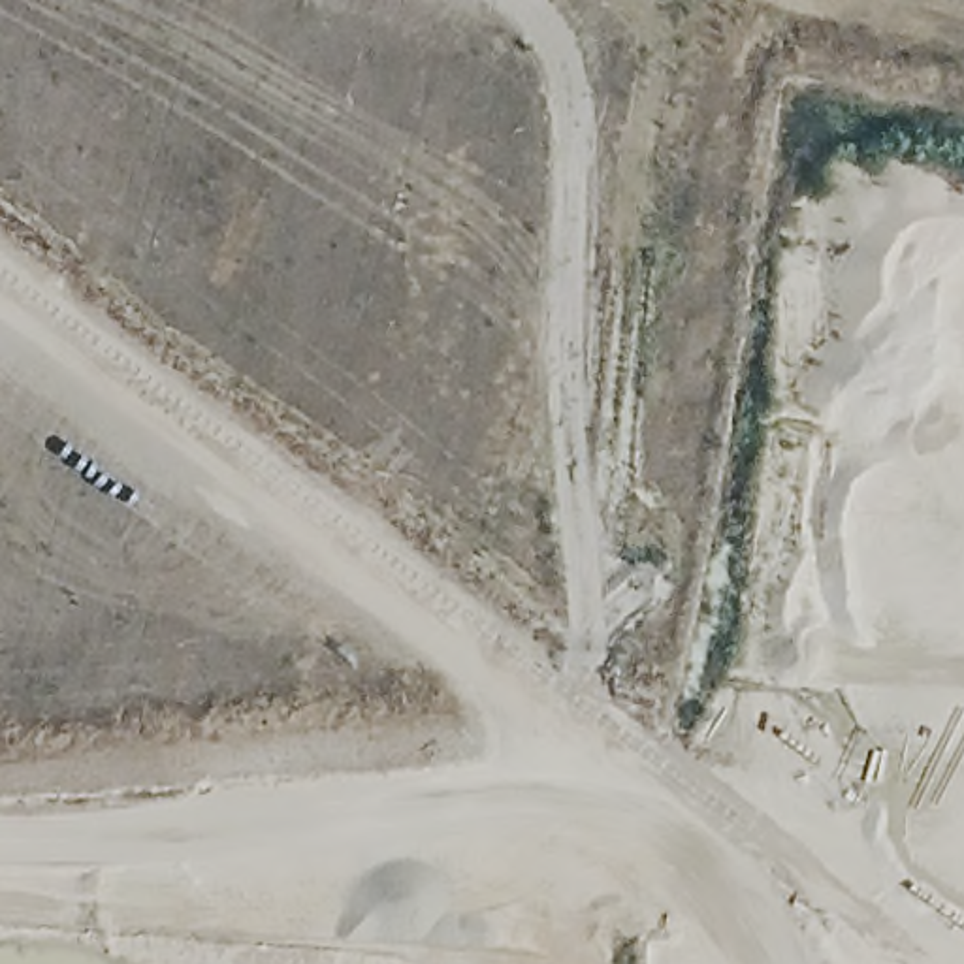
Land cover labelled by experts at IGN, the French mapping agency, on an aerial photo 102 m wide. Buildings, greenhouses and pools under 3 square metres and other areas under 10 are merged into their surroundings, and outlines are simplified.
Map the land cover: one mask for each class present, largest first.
<instances>
[{"label":"pervious surface","instance_id":"1","mask_svg":"<svg viewBox=\"0 0 964 964\"><path fill-rule=\"evenodd\" d=\"M493 11H501L505 23H512L520 38L535 49L550 109V279L542 324L535 331L538 362L546 369L554 429L557 490L550 523L557 535L561 576L569 591V614L554 618L550 625L565 640L561 655H546V648L523 636L505 614L490 610L482 599L463 591L448 569H437L410 542H403L380 520L377 508L346 501L335 486H328L324 474L305 471L297 456L252 433L230 407L211 403L185 377L151 358L147 346L121 335L105 313H94L87 301L72 294L64 275H53L38 264L34 245H15L0 230V373L4 380L26 384L34 395H45L56 407V414L79 426V437H94L109 459L128 467V505L151 527H177V546L188 557H196L215 580L226 584V599H245V618L256 636H362L373 644V655H380L388 667L437 670L463 704V727H448V719H422L418 727H365L354 708L346 727L335 734L267 738L252 742L249 749L188 738L169 749L151 746L143 761H132L124 746H105L98 753H75L68 761L0 764V941H72L87 949H109L113 956L132 964H964V192L949 188L945 173L938 169L885 162L881 173H866L855 162L836 158L828 166V196H802L798 218L783 226L787 252L779 260L776 335L768 358L772 407L764 414V448L757 463V520L749 535V584L742 591V644L734 648L727 682L704 708V719L689 738L678 742V704L697 693L708 644L719 629L731 557L727 546L715 554L712 565H697L674 678L659 685H633L625 667H614L618 689L610 697L599 682V663L606 659L610 633L633 629L636 621H663L670 584L659 576L655 565H625L599 523V501L618 512L625 497L636 395L633 373L625 377L618 448L599 452V463H587L599 290L587 286L595 249H587V169L595 166L599 132L595 98L584 75L576 34L546 0H482Z\"/></svg>","mask_w":964,"mask_h":964},{"label":"herbaceous vegetation","instance_id":"2","mask_svg":"<svg viewBox=\"0 0 964 964\"><path fill-rule=\"evenodd\" d=\"M0 230L15 245H34L38 264L53 275H64L72 294L87 301L94 313H105L121 335L147 346L151 358L185 377L211 403L230 407L252 433L297 456L305 471L324 474L328 486H335L346 501L377 508L380 520L403 542H410L437 569H448L463 591L482 599L490 610L505 614L523 636L546 648V655H561L565 640L550 625L554 618L569 614V591L561 576L557 535L550 523L557 490L554 429L546 369L538 362L535 331L542 324L550 279V109L535 49L520 38L512 23H505L501 11H493L482 0H0ZM576 34L584 75L595 98L599 132L595 166L587 169V249H595L587 286L599 290L587 463H599V452L618 448L625 377L633 373L636 395L625 497L618 512L599 501V523L625 565H655L659 576L670 584L663 621H636L633 629L610 633L606 659L599 663V682L610 697L618 689L614 667H625L633 685H659L674 678L697 565H712L715 554L727 546L719 535V516L734 456V403L753 339V275L761 260L757 237L768 218L772 181L779 173L783 113L791 109L798 90L817 87L859 94L870 105H881L885 113L923 105L964 117V75L945 68L859 60L847 68V75H836L828 53L798 49L795 60H776L768 72L764 102L753 124L757 143H738V128L731 121H738L742 98L749 94V53L768 45L772 34H783L798 15L862 23L874 34H904L911 41L941 45L949 53L964 49V0H546ZM128 467L109 459L94 437H79V426L56 414V407L45 395H34L26 384L4 380L0 373V764L68 761L75 753H98L105 746H124L132 761H143L151 746L169 749L188 738L249 749L252 742L267 738L335 734L346 727L354 708L365 727H418L422 719H448V727H463V704L437 670L388 667L380 655H373V644L362 636H256L245 618V599H226V584L215 580L196 557H188L177 546V527H151L128 505Z\"/></svg>","mask_w":964,"mask_h":964},{"label":"brushwood","instance_id":"3","mask_svg":"<svg viewBox=\"0 0 964 964\"><path fill-rule=\"evenodd\" d=\"M798 49L828 53L836 75H847V68L859 60L945 68L964 75V49L949 53L941 45L911 41L904 34H874L862 23L798 15L783 34H772L768 45L749 53V94L742 98L738 121H731L738 128V143H757L753 124L764 102L768 72L776 60H795ZM919 124L930 128L934 139H964V117L923 105L885 113L881 105H870L859 94L817 87L798 90L791 109L783 113L779 173L772 181L768 218L757 237L761 260L753 275V339L734 403V456L719 516V535L727 546L731 557L719 629L708 644L697 693L678 704V742L689 738L704 719V708L727 682L734 648L742 644V591L749 584V535L757 520V463L764 448V414L772 407L768 358L776 335L779 260L787 252L783 226L798 218L802 196H828V166L836 158L844 147L874 143L885 132H908Z\"/></svg>","mask_w":964,"mask_h":964},{"label":"deciduous trees","instance_id":"4","mask_svg":"<svg viewBox=\"0 0 964 964\"><path fill-rule=\"evenodd\" d=\"M855 162L866 173H881L885 162L938 169L945 173L949 188L964 192V139H934L930 128L919 124L908 132H885L874 143L844 147L836 158Z\"/></svg>","mask_w":964,"mask_h":964},{"label":"water","instance_id":"5","mask_svg":"<svg viewBox=\"0 0 964 964\"><path fill-rule=\"evenodd\" d=\"M0 964H132L113 956L109 949H87L72 941H0Z\"/></svg>","mask_w":964,"mask_h":964}]
</instances>
